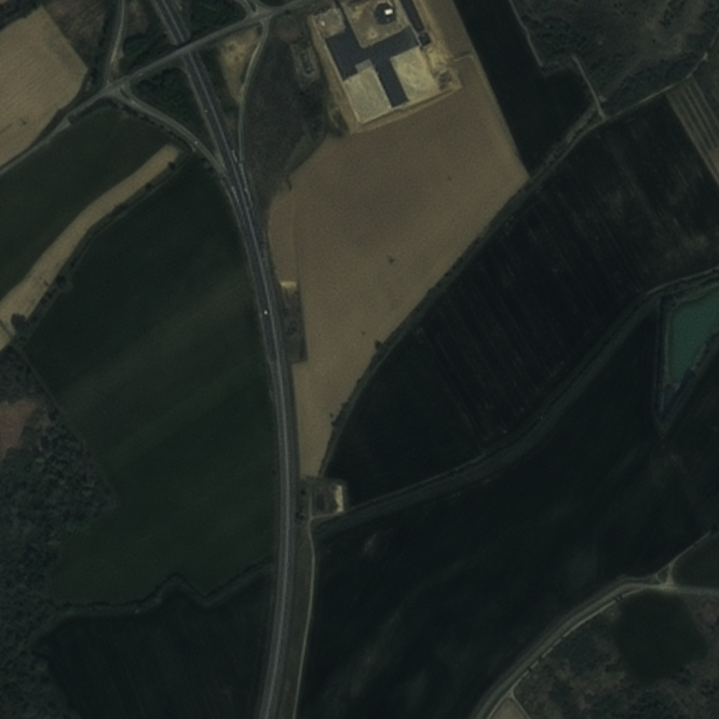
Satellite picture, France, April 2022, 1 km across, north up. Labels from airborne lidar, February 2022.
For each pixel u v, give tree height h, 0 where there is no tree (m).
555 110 0
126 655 0
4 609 6
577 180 0
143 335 0
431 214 0
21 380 16
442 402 0
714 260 0
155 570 0
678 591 0
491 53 0
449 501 0
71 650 0
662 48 0
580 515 0
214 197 0
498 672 0
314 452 0
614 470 0
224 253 0
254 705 0
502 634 0
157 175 0
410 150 0
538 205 0
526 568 0
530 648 0
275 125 0
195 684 0
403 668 0
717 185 0
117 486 0
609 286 0
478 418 0
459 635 0
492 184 0
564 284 0
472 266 0
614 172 0
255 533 0
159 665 0
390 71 0
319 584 0
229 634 0
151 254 0
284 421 0
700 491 0
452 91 0
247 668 0
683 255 0
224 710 0
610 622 0
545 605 0
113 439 0
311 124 0
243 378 0
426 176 0
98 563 0
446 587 0
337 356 0
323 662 0
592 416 0
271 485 0
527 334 0
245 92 0
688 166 0
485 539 0
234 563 0
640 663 0
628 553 0
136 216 0
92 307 0
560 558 0
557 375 0
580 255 0
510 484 0
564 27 9
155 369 0
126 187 0
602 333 0
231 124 0
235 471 0
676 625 0
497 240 0
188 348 0
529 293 0
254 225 0
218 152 0
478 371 0
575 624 0
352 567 0
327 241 0
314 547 0
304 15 0
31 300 0
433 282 0
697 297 0
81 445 11
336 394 0
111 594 0
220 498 0
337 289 0
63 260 0
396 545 0
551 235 0
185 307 0
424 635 0
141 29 0
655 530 0
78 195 0
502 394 0
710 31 10
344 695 0
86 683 0
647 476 0
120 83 0
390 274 0
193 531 0
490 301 0
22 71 0
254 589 0
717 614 0
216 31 0
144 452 0
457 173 0
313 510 0
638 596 0
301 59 0
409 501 0
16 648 11
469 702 0
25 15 7
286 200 0
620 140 0
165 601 0
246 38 0
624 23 0
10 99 0
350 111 0
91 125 0
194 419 0
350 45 0
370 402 0
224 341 0
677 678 8
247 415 0
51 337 0
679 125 0
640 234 0
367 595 0
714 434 0
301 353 0
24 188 0
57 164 0
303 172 0
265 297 0
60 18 0
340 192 0
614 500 0
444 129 0
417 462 0
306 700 0
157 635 0
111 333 0
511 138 0
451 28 0
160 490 0
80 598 0
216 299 0
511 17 0
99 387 0
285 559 0
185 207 0
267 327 0
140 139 0
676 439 0
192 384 0
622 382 0
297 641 0
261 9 0
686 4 6
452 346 0
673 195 0
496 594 0
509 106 0
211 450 0
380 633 0
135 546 0
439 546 0
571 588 0
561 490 0
